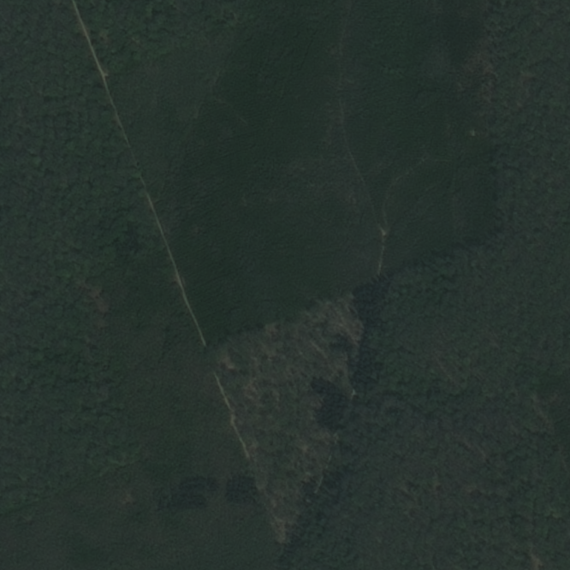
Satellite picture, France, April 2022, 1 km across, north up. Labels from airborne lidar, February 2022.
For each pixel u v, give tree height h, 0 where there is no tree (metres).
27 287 31
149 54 19
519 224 27
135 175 24
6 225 31
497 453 30
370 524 33
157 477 9
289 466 30
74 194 27
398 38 7
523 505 30
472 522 31
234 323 12
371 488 28
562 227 25
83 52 25
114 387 28
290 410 29
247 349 30
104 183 31
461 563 32
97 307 11
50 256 30
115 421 25
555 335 31
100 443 24
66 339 27
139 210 19
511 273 29
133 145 14
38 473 29
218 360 25
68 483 28
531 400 28
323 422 27
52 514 12
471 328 29
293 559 22
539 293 28
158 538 14
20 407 31
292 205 7
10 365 30
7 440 30
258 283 12
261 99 6
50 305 31
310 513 26
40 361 29
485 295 29
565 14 22
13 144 25
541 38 28
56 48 30
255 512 16
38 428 29
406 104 6
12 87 34
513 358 29
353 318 28
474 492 26
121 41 25
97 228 28
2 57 30
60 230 27
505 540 30
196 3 31
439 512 29
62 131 26
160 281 14
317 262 5
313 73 6
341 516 29
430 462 28
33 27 32
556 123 27
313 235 6
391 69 13
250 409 29
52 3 28
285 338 29
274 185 7
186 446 11
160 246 20
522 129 22
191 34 26
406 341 31
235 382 34
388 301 19
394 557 26
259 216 9
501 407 26
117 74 11
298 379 32
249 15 28
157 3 29
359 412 32
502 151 29
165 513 12
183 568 17
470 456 30
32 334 31
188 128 6
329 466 8
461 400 28
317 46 5
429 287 29
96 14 28
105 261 25
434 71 20
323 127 5
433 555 28
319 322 29
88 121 25
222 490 15
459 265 29
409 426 29
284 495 28
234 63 11
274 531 14
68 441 33
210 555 17
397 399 25
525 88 29
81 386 28
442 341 24
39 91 31
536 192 23
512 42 27
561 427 6
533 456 29
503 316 27
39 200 31
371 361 20
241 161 6
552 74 30
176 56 12
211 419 14
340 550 28
